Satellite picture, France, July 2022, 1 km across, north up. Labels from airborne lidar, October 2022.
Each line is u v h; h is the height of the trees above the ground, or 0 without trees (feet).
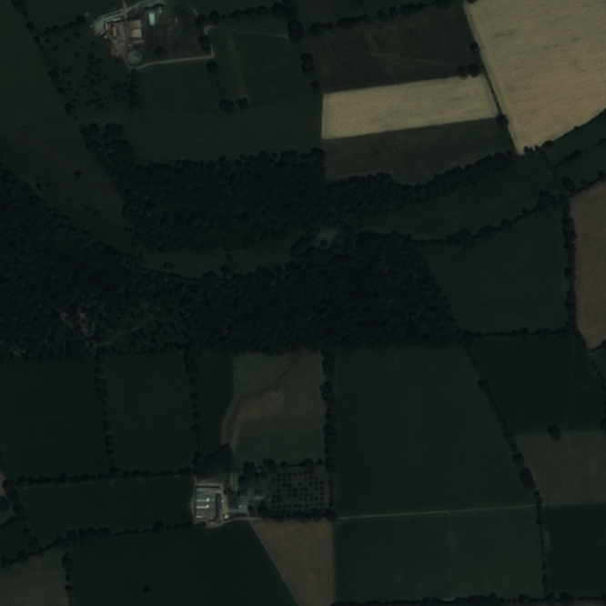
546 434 0
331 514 60
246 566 0
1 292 79
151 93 0
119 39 0
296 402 0
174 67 0
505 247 0
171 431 0
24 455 0
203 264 0
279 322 77
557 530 0
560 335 48
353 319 64
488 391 29
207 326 83
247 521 0
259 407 0
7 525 27
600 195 0
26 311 87
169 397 0
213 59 0
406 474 0
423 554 0
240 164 54
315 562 0
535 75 0
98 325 22
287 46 0
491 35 0
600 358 0
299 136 0
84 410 0
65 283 77
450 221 0
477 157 0
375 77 0
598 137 0
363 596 0
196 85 0
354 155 0
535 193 0
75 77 0
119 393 0
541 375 0
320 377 0
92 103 24
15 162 0
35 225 72
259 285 71
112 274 79
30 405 0
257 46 0
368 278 90
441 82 0
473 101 0
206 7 0
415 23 0
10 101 0
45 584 0
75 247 75
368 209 57
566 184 59
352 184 62
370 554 0
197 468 68
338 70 0
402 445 0
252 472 51
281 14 76
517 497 0
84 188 0
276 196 74
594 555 0
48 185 22
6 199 73
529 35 0
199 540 0
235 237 82
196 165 41
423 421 0
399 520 0
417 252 40
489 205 0
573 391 0
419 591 0
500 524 0
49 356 83
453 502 0
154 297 80
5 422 0
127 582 0
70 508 0
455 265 0
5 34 0
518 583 0
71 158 0
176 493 0
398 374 0
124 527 0
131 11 0
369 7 0
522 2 0
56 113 0
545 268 0
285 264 0
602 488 0
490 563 0
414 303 77
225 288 68
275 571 0
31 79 0
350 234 43
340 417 0
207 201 64
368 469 0
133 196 56
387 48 0
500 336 21
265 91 0
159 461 0
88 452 0
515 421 0
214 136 0
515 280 0
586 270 0
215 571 0
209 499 0
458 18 0
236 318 75
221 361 0
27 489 30
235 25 0
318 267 51
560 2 0
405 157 0
